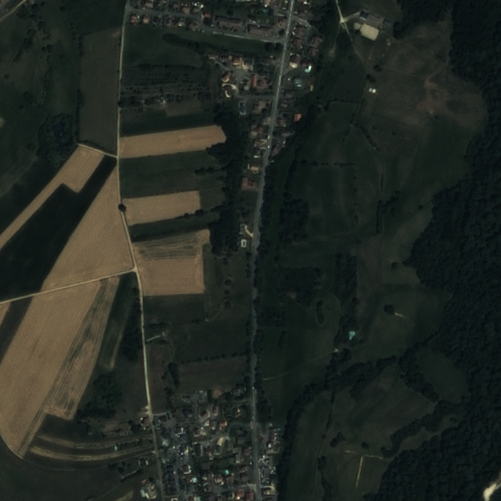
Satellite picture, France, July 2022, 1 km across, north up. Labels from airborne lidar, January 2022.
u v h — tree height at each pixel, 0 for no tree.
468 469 22
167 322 0
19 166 0
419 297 0
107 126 0
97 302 0
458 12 21
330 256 0
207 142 0
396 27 13
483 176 19
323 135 0
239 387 12
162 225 0
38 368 0
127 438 0
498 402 20
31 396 0
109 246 0
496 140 16
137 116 0
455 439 22
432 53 0
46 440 0
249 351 15
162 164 0
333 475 0
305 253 0
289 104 6
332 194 0
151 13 0
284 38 0
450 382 0
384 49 0
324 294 0
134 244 0
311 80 0
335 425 0
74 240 0
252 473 0
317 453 0
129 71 0
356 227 0
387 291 0
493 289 16
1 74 0
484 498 0
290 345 0
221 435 0
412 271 0
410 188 0
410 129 0
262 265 15
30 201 0
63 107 0
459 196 19
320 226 0
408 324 0
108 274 0
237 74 0
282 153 6
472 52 19
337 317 0
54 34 0
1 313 0
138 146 0
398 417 0
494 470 16
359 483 0
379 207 8
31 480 0
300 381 0
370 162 0
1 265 0
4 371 0
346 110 0
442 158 0
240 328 0
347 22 0
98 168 0
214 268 0
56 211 0
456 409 9
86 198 0
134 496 0
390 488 21
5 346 0
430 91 0
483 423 21
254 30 0
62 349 0
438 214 18
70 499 0
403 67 0
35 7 14
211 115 0
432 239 21
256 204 0
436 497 23
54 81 0
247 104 0
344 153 0
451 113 0
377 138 0
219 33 0
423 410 0
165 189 0
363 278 0
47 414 0
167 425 0
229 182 11
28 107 0
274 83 0
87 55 0
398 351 0
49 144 7
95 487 0
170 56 0
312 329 0
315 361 0
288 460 18
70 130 6
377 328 0
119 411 0
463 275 14
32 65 0
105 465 0
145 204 0
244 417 0
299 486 0
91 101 0
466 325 16
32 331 0
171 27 0
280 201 0
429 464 13
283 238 15
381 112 0
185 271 0
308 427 0
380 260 0
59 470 0
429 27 0
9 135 0
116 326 0
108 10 0
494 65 13
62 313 0
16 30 0
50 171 0
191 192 0
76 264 0
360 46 0
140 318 0
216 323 0
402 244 0
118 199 0
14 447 0
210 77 0
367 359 0
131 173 0
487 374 17
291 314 0
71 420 0
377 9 0
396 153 0
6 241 0
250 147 0
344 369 0
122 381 0
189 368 0
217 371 0
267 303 0
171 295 0
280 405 0
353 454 0
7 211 0
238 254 0
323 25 13
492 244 21
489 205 23
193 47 7
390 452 6
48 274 0
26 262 0
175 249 0
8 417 0
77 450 0
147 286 0
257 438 0
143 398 0
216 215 0
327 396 0
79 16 0
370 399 0
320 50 0
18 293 0
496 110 16
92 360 0
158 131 0
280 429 0
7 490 0
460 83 0
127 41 0
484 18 12
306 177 0
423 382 18
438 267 7
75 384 0
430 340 20
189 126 0
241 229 0
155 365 0
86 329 0
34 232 0
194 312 0
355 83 0
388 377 0
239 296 0
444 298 0
